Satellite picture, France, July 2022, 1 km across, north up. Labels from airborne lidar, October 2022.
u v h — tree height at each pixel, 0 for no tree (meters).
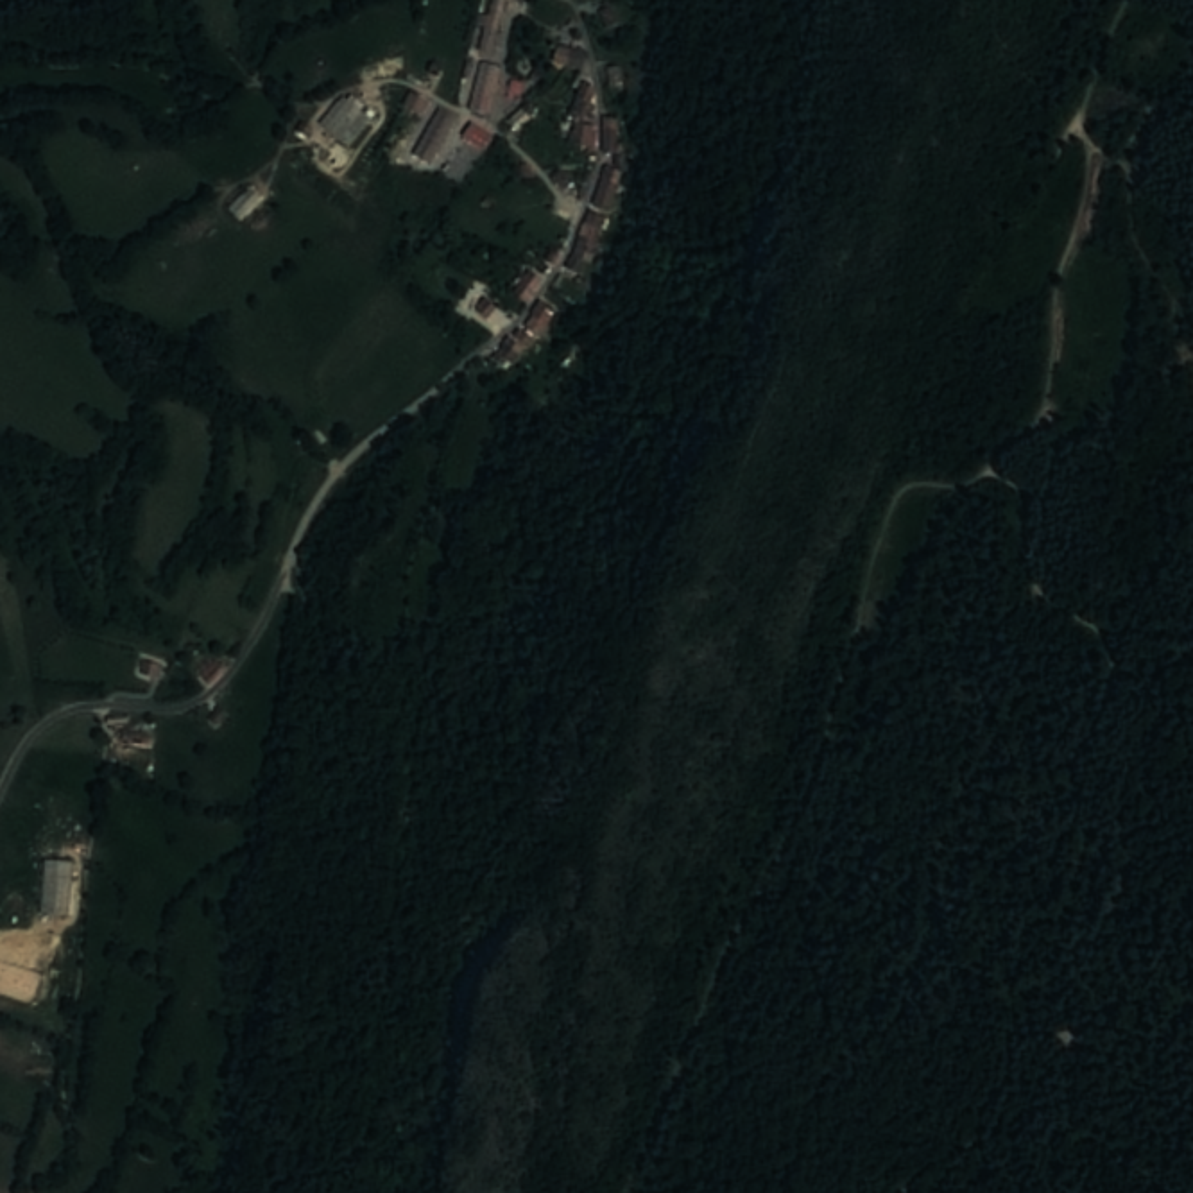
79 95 21
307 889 16
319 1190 21
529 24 7
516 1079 10
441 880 13
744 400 12
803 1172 22
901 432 16
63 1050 16
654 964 8
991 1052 23
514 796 19
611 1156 10
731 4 14
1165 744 25
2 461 14
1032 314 18
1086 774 31
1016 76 11
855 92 11
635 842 7
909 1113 14
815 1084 11
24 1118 0
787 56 15
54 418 0
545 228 0
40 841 0
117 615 16
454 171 0
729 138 6
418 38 0
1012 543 6
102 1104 0
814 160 13
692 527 6
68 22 18
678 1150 14
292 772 17
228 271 0
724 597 9
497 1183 7
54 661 0
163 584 8
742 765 11
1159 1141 7
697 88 20
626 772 10
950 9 11
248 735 0
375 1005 9
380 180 0
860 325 8
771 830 6
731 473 6
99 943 0
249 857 10
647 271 19
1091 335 0
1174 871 21
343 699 13
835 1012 22
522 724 13
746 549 7
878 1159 9
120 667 0
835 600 14
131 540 9
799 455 9
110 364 14
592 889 16
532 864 20
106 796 15
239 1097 22
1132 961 22
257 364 0
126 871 0
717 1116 10
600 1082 8
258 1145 28
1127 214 7
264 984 8
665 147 15
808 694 14
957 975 13
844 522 6
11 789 0
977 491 6
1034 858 27
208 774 0
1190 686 25
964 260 13
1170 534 23
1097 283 0
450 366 0
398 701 7
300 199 0
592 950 13
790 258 8
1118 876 29
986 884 11
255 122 0
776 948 28
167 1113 15
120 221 0
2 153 19
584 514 21
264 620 0
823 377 6
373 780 13
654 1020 10
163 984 15
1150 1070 17
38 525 19
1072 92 30
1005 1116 24
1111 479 15
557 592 18
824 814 29
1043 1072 21
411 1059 8
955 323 20
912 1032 25
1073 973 33
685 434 28
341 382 0
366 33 0
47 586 13
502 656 17
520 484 21
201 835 0
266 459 0
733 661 6
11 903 0
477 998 34
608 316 26
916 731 10
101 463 12
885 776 14
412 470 0
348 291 0
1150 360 19
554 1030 16
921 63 8
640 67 8
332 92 16
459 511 24
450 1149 10
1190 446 12
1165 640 31
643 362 23
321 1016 13
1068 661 19
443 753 15
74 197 0
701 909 8
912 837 11
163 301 0
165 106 0
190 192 0
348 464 0
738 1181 16
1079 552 28
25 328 0
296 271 15
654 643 8
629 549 17
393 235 0
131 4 20
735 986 20
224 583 0
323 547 14
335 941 17
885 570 0
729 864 13
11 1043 0
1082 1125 26
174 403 12
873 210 12
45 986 0
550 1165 15
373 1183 6
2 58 13
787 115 22
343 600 15
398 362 0
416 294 8
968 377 17
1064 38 23
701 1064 34
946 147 12
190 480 0
